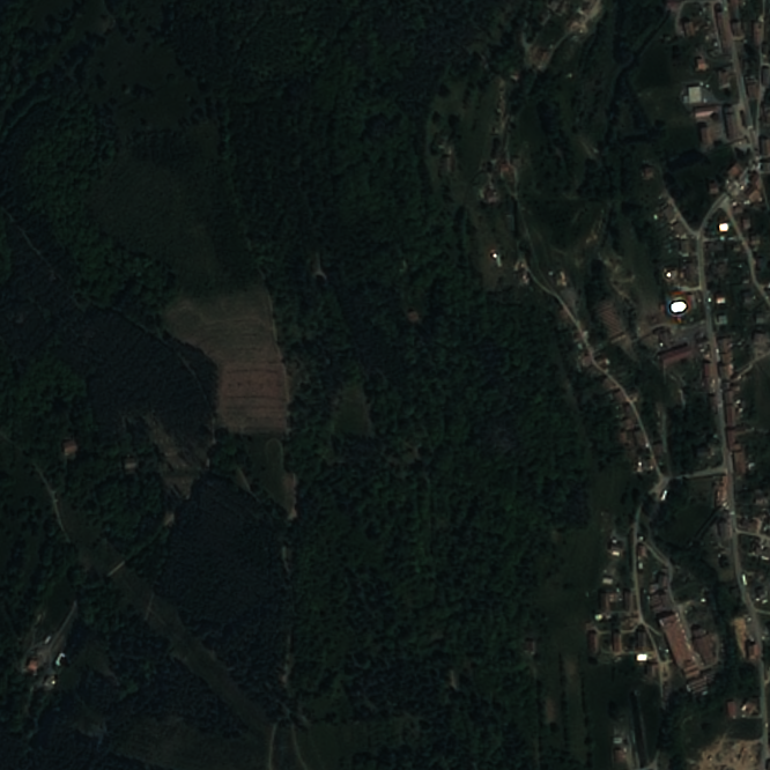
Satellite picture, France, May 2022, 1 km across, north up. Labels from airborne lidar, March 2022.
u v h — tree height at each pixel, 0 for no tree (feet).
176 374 68
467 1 80
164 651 61
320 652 37
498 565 75
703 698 47
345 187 97
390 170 63
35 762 75
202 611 46
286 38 29
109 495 55
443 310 72
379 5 71
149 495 67
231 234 22
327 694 96
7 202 60
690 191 47
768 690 0
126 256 41
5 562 0
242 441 48
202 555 61
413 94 86
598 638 0
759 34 0
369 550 25
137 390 83
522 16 34
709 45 0
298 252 47
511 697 55
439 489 51
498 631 54
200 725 75
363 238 40
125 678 65
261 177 55
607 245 29
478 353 103
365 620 80
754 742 0
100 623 49
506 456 69
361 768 27
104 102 0
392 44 94
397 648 75
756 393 0
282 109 65
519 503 76
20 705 29
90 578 72
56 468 23
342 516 31
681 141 0
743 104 0
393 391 61
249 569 56
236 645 58
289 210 43
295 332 56
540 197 0
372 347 91
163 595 44
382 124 80
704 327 0
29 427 33
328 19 52
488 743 61
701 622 0
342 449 88
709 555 32
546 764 27
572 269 0
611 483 0
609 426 42
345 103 56
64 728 87
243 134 35
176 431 78
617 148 51
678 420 94
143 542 67
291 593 26
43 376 56
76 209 35
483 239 0
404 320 38
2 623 54
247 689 74
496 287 40
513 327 40
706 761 0
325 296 57
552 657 0
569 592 20
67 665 65
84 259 56
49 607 0
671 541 0
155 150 21
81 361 74
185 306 0
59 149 52
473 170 0
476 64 53
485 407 83
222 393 0
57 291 65
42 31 0
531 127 0
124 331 75
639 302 0
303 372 51
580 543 0
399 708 95
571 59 0
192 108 23
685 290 0
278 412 0
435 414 53
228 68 60
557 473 70
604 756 0
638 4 66
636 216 55
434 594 39
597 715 0
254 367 0
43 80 56
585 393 25
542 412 67
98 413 86
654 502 66
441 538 52
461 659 27
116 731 72
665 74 0
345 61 50
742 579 0
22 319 68
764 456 21
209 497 63
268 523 53
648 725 0
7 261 69
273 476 0
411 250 75
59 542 47
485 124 0
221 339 0
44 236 55
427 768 77
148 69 0
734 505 0
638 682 0
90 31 0
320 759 0
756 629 0
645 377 42
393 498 43
